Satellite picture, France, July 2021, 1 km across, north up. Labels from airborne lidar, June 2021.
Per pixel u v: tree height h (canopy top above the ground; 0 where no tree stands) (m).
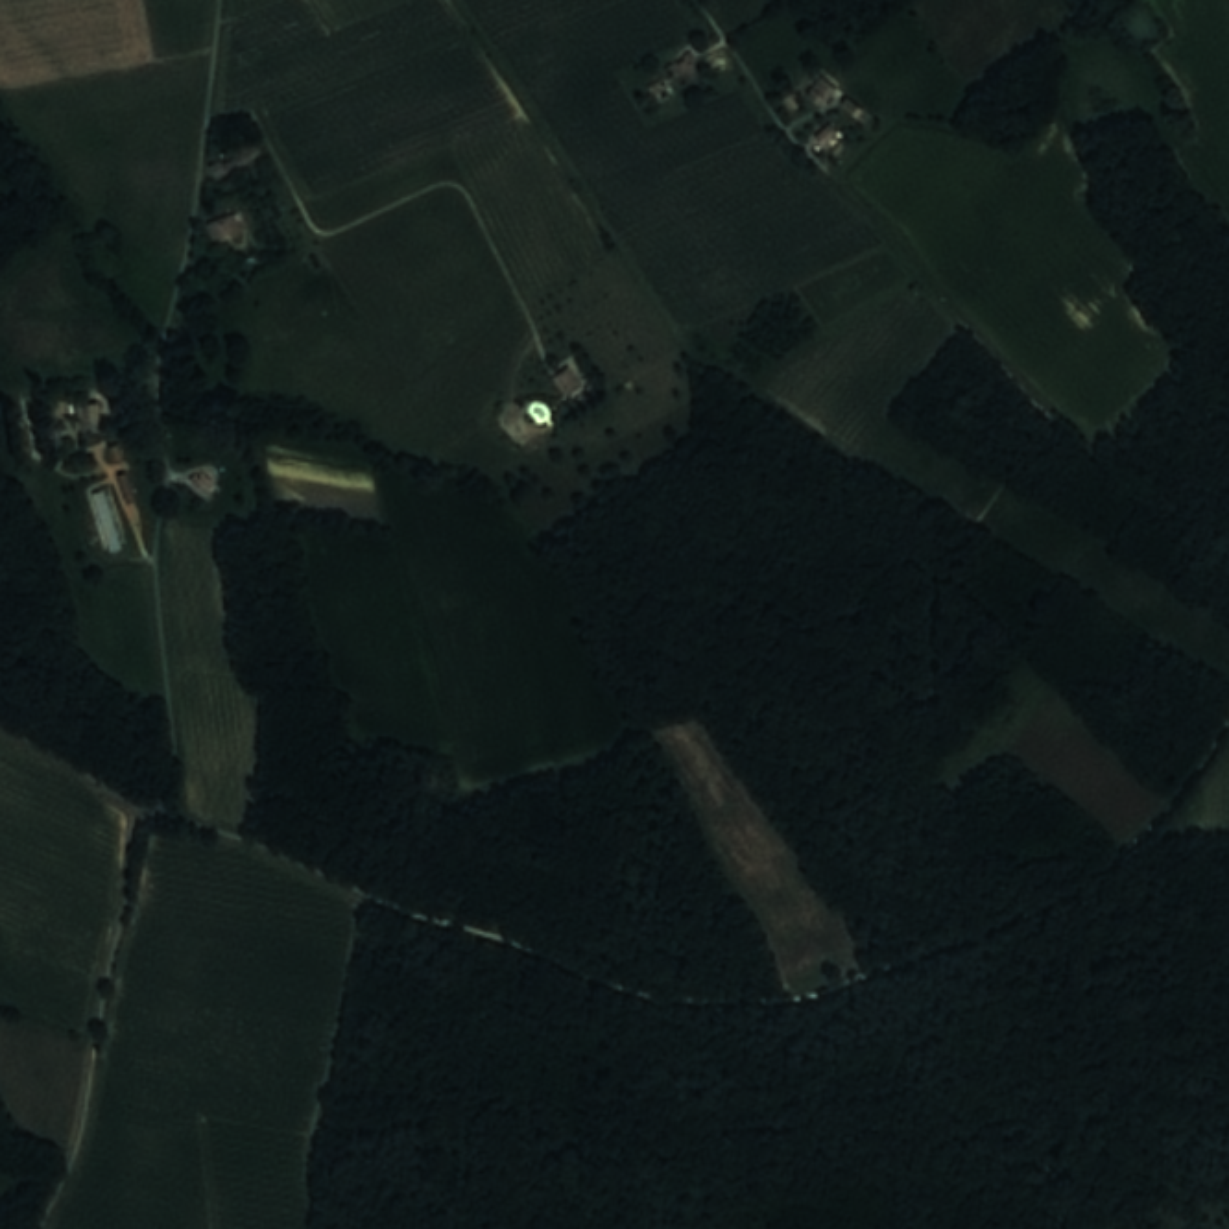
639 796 21
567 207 0
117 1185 0
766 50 0
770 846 0
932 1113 21
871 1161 19
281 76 0
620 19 0
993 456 14
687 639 26
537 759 0
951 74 0
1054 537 0
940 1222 20
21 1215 19
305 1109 0
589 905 18
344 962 0
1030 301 0
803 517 20
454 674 0
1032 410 16
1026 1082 23
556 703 0
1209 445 19
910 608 26
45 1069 0
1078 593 15
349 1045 15
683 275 0
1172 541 14
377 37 0
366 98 0
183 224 0
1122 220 22
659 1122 15
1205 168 0
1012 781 13
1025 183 0
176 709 0
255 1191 0
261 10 0
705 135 0
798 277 0
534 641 0
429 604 0
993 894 16
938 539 18
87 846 0
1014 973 18
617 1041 21
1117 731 21
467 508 0
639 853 15
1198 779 11
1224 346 20
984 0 0
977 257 0
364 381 0
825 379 0
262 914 0
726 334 0
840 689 25
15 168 24
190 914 0
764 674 27
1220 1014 18
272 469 0
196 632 0
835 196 0
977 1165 16
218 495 0
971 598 23
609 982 13
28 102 0
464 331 0
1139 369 0
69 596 17
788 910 0
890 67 0
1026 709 0
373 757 20
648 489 19
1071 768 0
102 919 0
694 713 21
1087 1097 22
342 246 0
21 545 21
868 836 24
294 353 0
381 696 0
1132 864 15
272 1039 0
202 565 0
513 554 0
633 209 0
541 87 0
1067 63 12
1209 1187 18
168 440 13
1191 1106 24
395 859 18
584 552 25
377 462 13
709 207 0
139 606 0
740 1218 6
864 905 19
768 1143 25
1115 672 11
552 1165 23
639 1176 24
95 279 12
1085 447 10
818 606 26
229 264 12
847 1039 20
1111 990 22
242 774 0
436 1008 14
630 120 0
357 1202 16
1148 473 13
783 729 22
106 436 13
